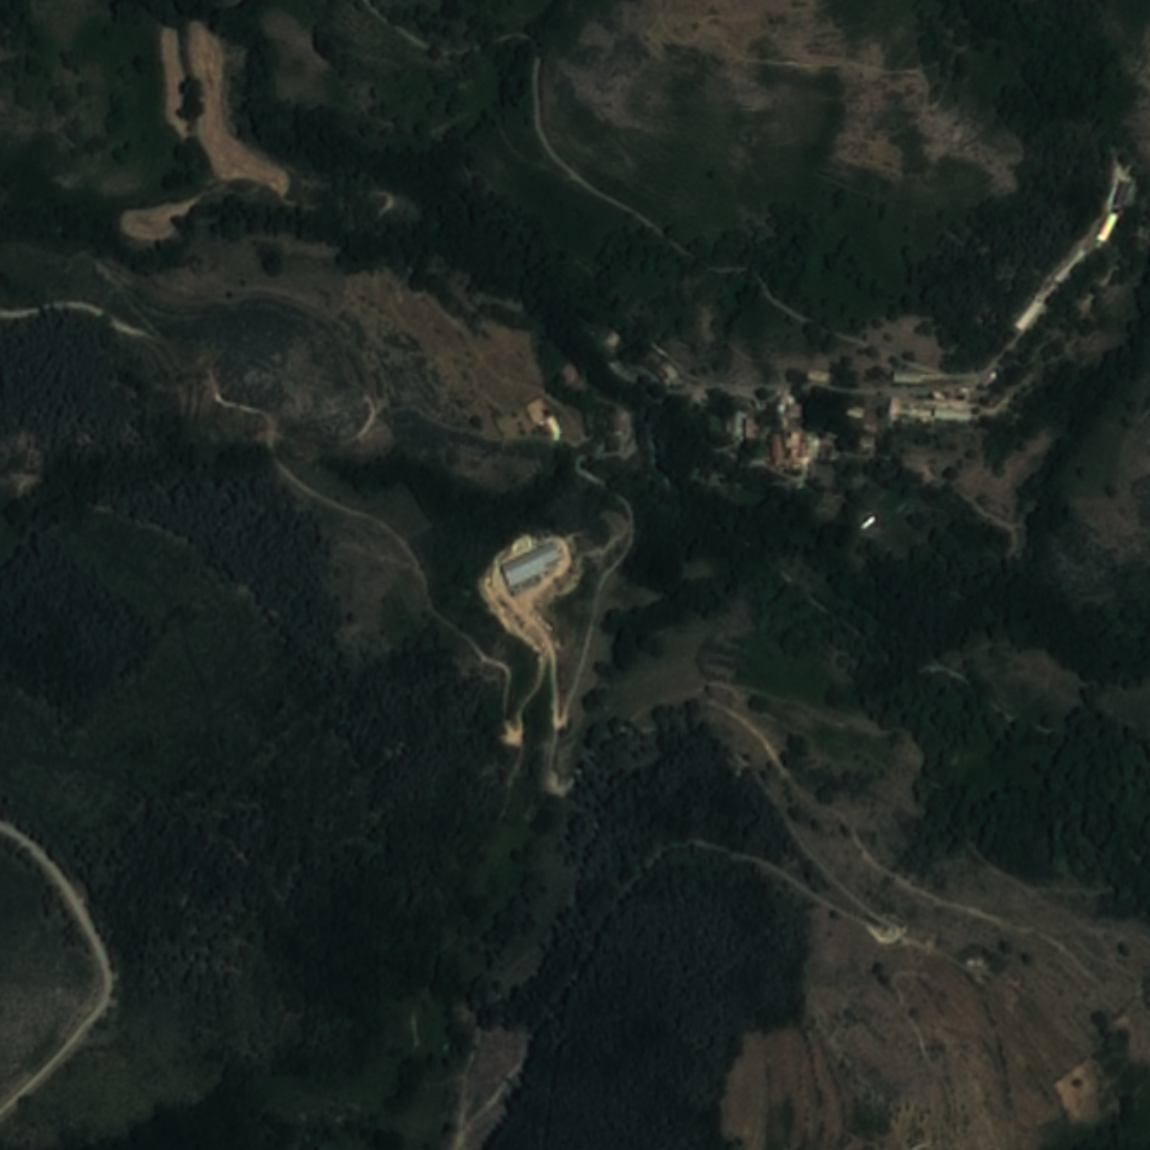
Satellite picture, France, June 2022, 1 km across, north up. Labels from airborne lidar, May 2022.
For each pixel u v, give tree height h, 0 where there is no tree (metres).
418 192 18
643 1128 18
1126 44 0
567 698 0
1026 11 15
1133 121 0
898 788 0
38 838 18
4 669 11
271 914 17
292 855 13
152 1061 0
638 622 23
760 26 0
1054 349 12
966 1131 0
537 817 9
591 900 12
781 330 0
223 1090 13
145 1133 26
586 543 0
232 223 19
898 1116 0
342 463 7
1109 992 0
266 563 20
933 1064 0
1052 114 9
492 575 0
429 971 18
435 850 13
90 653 16
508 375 0
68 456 13
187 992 8
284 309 0
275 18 0
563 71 0
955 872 0
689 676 0
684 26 0
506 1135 19
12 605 10
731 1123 0
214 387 0
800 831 0
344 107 0
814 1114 0
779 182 0
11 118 0
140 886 17
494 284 16
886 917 0
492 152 0
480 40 7
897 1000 0
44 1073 0
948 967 0
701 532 11
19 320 10
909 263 8
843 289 0
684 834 13
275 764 10
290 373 0
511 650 0
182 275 0
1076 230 12
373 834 17
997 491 0
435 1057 12
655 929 21
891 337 9
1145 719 0
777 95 0
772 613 7
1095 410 20
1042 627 14
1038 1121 0
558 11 11
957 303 12
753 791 15
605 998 19
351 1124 11
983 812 14
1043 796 9
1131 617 13
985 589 18
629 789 10
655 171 0
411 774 17
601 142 0
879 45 0
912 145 0
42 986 0
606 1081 18
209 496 17
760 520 19
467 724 10
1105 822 14
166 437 8
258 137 17
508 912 14
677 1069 16
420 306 0
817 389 11
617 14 0
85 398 19
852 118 0
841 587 17
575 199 0
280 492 8
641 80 0
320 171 10
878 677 19
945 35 9
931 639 12
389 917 19
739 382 0
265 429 0
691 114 0
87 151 7
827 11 0
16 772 0
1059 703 0
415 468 14
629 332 14
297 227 8
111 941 13
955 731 16
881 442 8
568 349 13
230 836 13
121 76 6
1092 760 9
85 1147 14
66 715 7
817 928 0
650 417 17
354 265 7
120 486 14
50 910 14
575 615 0
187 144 6
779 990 17
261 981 8
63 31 0
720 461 16
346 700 8
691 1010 16
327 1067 16
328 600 16
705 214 0
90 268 0
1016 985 0
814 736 0
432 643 7
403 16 7
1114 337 0
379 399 0
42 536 15
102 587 16
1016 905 0
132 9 14
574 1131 18
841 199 8
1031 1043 0
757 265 13
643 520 10
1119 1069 0
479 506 18
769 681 0
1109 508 0
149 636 13
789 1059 0
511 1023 14
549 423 0
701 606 16
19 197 0
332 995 18
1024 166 8
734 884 9
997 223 16
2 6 12
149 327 0
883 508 0
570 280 7
